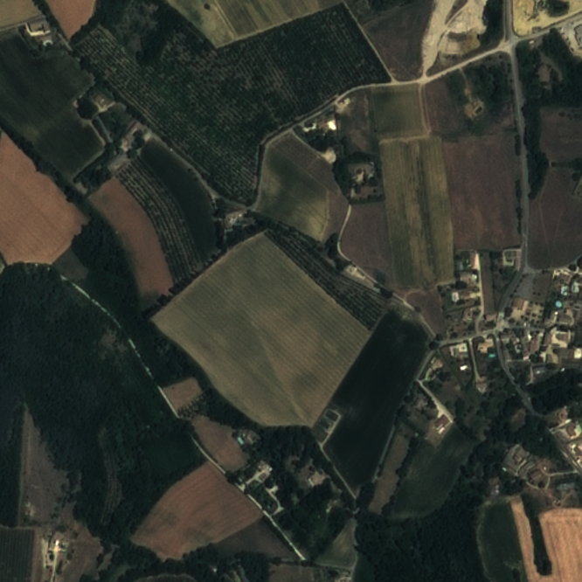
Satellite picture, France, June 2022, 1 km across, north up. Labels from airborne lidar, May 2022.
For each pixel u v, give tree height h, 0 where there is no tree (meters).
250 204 13
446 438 0
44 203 0
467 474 27
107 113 6
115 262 8
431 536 18
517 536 0
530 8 0
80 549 0
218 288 0
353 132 0
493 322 8
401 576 10
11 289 13
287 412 0
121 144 13
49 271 8
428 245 0
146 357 13
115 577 0
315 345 0
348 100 0
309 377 0
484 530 0
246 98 7
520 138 13
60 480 0
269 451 23
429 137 0
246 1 0
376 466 0
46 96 0
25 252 0
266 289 0
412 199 0
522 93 0
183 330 0
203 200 0
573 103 9
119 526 18
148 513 12
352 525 0
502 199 0
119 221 0
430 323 0
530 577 0
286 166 0
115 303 7
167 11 7
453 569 17
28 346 12
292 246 6
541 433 14
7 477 10
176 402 0
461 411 10
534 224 0
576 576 0
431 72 0
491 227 0
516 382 14
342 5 10
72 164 0
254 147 5
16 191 0
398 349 0
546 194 0
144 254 0
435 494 0
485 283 0
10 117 0
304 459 14
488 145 0
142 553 16
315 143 14
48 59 0
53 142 0
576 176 11
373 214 0
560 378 18
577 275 7
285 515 10
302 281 0
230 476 10
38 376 15
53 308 11
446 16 0
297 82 8
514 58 0
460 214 0
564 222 0
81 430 17
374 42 0
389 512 17
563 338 0
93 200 0
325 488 9
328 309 0
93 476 18
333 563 0
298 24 6
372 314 6
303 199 0
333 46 7
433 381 8
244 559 15
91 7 0
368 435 0
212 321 0
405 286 0
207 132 7
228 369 0
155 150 0
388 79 10
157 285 0
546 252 0
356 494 0
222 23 0
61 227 0
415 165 0
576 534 0
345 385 0
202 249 0
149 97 5
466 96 0
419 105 0
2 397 17
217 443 0
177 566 16
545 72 0
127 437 17
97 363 8
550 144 0
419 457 0
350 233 0
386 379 0
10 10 0
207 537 0
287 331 0
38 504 0
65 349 13
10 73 0
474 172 0
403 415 20
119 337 7
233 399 0
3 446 11
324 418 0
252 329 0
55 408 12
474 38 0
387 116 0
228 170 6
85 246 13
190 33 8
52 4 0
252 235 30
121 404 10
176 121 7
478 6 0
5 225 0
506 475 14
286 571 0
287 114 6
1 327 12
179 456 8
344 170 15
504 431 12
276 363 0
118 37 6
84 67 11
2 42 0
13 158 0
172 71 7
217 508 0
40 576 0
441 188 0
